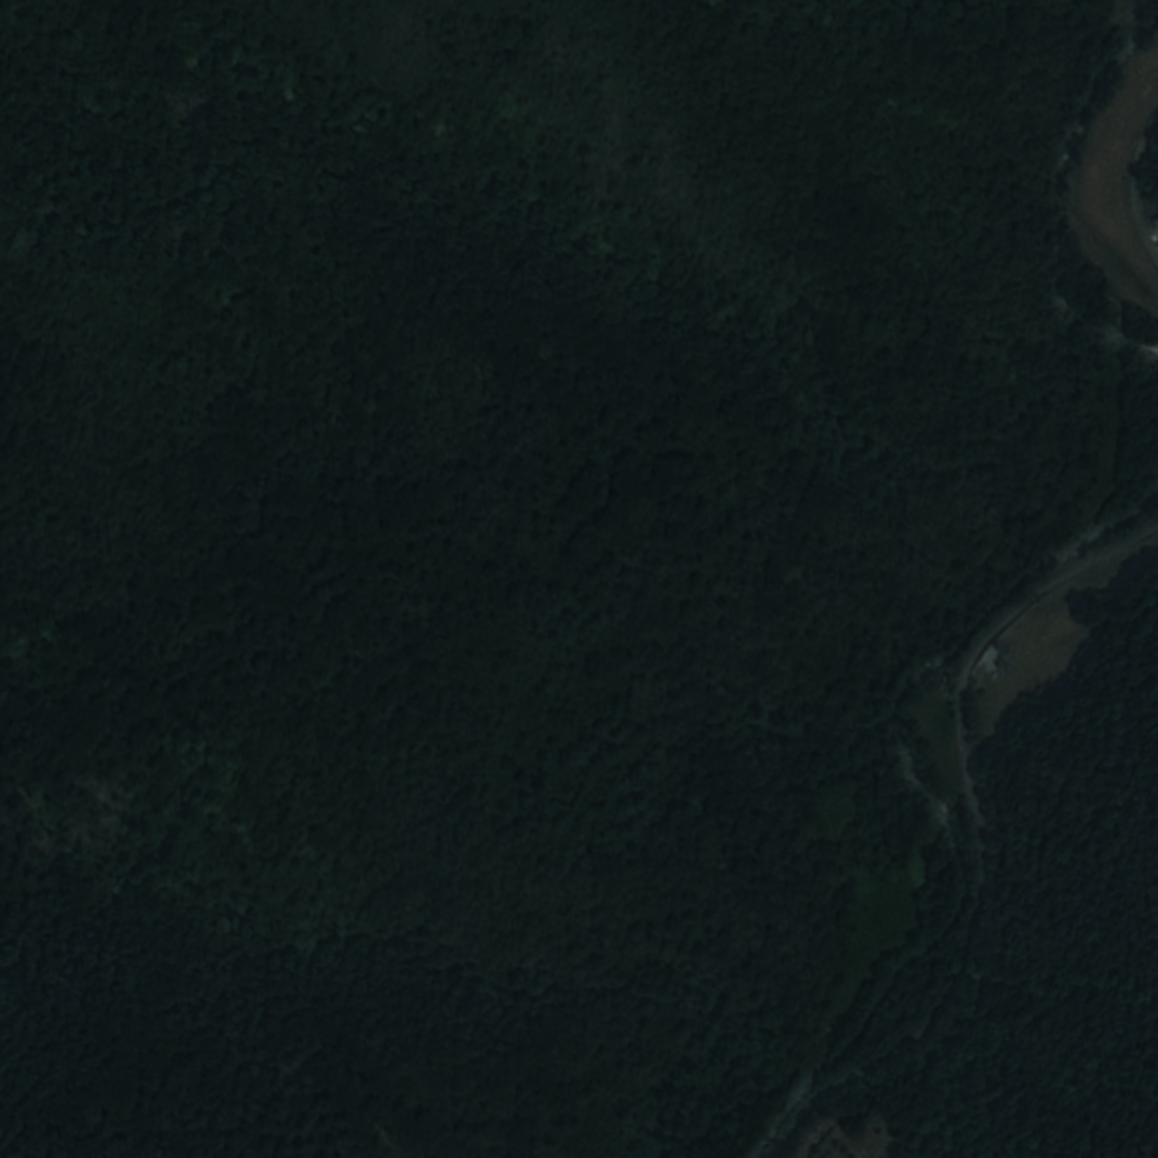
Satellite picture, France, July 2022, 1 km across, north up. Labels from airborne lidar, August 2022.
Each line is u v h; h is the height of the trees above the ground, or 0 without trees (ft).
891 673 34
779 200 45
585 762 38
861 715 35
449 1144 90
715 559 41
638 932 91
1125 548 0
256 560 80
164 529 52
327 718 71
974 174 72
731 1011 71
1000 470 86
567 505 71
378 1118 93
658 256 54
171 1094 88
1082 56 70
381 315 67
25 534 36
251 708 36
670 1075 43
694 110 47
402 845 64
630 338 88
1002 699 0
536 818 43
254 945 99
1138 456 60
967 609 41
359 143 62
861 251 68
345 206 83
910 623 43
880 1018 32
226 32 63
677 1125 80
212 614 35
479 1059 52
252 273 62
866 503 60
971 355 52
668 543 42
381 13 22
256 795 59
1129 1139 83
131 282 32
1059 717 71
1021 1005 63
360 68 27
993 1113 63
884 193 78
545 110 31
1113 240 0
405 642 45
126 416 42
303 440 58
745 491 44
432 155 108
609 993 79
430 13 41
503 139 81
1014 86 46
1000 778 70
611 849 40
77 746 68
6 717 80
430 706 35
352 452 58
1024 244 79
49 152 59
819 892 35
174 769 86
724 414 58
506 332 87
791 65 58
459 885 55
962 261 59
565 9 20
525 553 39
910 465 50
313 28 20
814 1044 27
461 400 82
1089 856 89
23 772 93
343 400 64
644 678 75
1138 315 75
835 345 78
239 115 95
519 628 41
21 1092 54
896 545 67
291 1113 33
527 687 39
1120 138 0
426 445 82
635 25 40
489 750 31
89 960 94
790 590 72
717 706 82
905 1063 75
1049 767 60
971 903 65
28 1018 76
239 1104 77
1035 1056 65
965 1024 74
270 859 63
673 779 47
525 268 99
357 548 28
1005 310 56
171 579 74
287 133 68
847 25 70
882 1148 0
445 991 51
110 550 58
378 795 41
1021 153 75
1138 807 77
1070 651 0
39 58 45
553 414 68
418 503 94
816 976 56
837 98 55
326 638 77
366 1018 64
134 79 65
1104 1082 57
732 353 93
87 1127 92
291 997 99
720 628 52
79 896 91
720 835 42
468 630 32
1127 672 77
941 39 71
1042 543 75
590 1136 45
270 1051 76
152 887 93
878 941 0
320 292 69
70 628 87
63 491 57
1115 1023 54
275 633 60
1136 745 81
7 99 43
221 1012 66
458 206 85
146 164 72
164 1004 73
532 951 75
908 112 67
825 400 77
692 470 44
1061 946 59
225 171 85
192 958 89
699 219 27
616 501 108
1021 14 82
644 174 24
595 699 43
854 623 58
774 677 77
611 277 81
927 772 91
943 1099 49
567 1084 99
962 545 86
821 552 61
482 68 23
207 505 94
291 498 106
